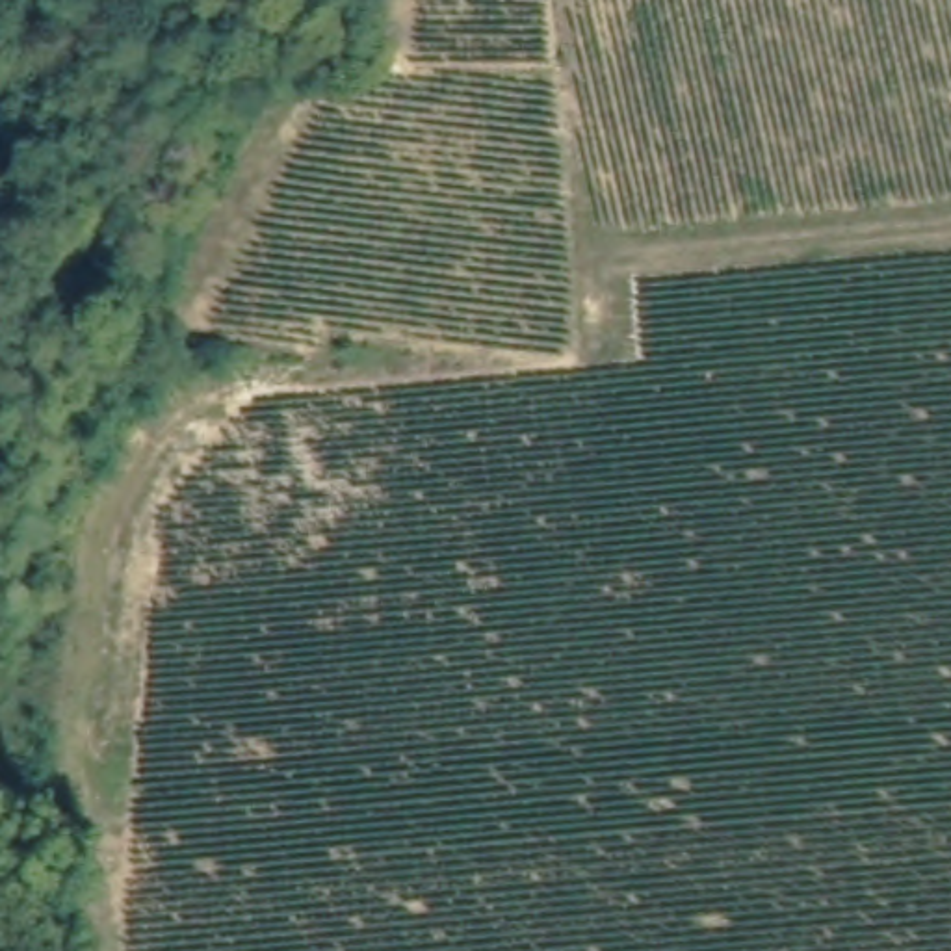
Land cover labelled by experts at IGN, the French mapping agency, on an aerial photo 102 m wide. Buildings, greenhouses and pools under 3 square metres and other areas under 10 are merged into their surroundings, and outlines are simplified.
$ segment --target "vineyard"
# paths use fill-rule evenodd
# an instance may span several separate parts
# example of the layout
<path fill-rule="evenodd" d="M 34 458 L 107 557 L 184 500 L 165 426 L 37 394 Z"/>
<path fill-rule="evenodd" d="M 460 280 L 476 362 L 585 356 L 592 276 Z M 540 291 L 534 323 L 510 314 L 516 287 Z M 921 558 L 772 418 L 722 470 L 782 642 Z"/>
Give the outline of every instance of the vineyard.
<path fill-rule="evenodd" d="M 327 386 L 327 394 L 267 394 L 245 405 L 238 416 L 223 412 L 223 420 L 215 423 L 219 442 L 208 446 L 204 461 L 167 498 L 156 520 L 163 561 L 160 587 L 149 609 L 149 698 L 141 721 L 141 769 L 134 769 L 134 788 L 141 795 L 134 799 L 134 880 L 126 892 L 126 951 L 951 951 L 951 0 L 550 0 L 561 11 L 557 63 L 568 71 L 572 93 L 580 100 L 580 189 L 572 197 L 557 197 L 561 152 L 554 137 L 554 97 L 546 78 L 479 71 L 394 74 L 349 108 L 308 104 L 308 126 L 297 137 L 282 178 L 275 182 L 271 208 L 260 215 L 260 238 L 245 249 L 245 267 L 223 286 L 204 331 L 215 334 L 215 345 L 241 345 L 267 357 L 290 353 L 312 331 L 312 316 L 327 319 L 331 349 L 345 349 L 357 342 L 401 349 L 461 360 L 490 360 L 490 349 L 561 353 L 572 271 L 594 275 L 606 264 L 632 264 L 620 249 L 632 241 L 691 241 L 706 267 L 684 275 L 646 275 L 639 282 L 643 360 L 635 364 L 583 364 L 561 371 L 476 375 L 409 386 Z"/>
<path fill-rule="evenodd" d="M 438 59 L 442 52 L 449 59 L 539 59 L 546 45 L 546 0 L 409 0 L 416 7 L 416 59 Z"/>

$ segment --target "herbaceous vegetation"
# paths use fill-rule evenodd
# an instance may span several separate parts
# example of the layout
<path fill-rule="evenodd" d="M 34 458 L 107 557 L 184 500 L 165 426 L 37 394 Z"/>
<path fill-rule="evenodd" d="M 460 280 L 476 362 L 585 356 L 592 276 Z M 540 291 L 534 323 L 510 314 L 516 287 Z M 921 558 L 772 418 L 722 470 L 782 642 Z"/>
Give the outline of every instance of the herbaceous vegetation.
<path fill-rule="evenodd" d="M 331 364 L 331 349 L 327 319 L 312 316 L 312 331 L 290 353 L 282 368 L 267 368 L 256 379 L 219 383 L 212 390 L 175 390 L 156 420 L 145 420 L 130 431 L 115 476 L 93 490 L 78 531 L 67 539 L 67 546 L 74 550 L 78 606 L 59 643 L 52 721 L 59 776 L 71 780 L 82 814 L 93 821 L 97 862 L 108 877 L 104 899 L 93 910 L 85 910 L 85 921 L 97 929 L 100 951 L 126 951 L 126 892 L 134 880 L 134 799 L 141 795 L 134 788 L 134 769 L 141 769 L 141 721 L 149 698 L 149 609 L 160 587 L 163 561 L 156 520 L 167 498 L 204 461 L 208 446 L 219 442 L 215 423 L 223 420 L 223 412 L 238 416 L 245 405 L 267 394 L 327 394 L 327 386 L 409 386 L 476 375 L 561 371 L 583 364 L 635 364 L 643 360 L 639 282 L 646 275 L 684 275 L 706 267 L 691 241 L 632 241 L 620 249 L 632 264 L 606 264 L 594 275 L 572 271 L 561 353 L 490 349 L 490 360 L 461 360 L 401 349 L 401 364 L 394 364 L 386 375 L 353 379 L 349 368 Z"/>
<path fill-rule="evenodd" d="M 572 197 L 580 189 L 580 100 L 572 93 L 568 71 L 557 63 L 561 11 L 550 0 L 546 0 L 546 45 L 539 59 L 449 59 L 442 52 L 438 59 L 416 59 L 416 7 L 409 0 L 386 0 L 394 37 L 401 41 L 401 56 L 390 59 L 394 74 L 479 71 L 546 78 L 554 97 L 554 137 L 561 152 L 557 197 Z"/>
<path fill-rule="evenodd" d="M 189 331 L 204 331 L 223 286 L 245 267 L 245 249 L 260 238 L 260 215 L 271 208 L 275 182 L 282 178 L 297 137 L 308 126 L 308 104 L 297 100 L 275 134 L 260 130 L 249 152 L 238 156 L 241 178 L 208 223 L 204 249 L 193 260 L 193 301 L 178 308 L 178 319 Z"/>

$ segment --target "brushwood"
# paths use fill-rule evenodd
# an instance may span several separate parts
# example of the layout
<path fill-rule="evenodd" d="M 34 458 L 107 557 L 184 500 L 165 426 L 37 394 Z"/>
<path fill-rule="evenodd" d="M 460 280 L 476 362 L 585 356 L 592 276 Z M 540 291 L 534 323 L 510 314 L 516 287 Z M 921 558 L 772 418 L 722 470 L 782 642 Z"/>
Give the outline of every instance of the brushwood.
<path fill-rule="evenodd" d="M 353 379 L 386 375 L 394 364 L 401 364 L 401 349 L 357 342 L 345 349 L 331 349 L 331 364 L 349 368 Z"/>
<path fill-rule="evenodd" d="M 193 357 L 219 383 L 256 379 L 267 368 L 282 368 L 290 353 L 267 357 L 241 345 L 215 345 L 193 349 Z"/>

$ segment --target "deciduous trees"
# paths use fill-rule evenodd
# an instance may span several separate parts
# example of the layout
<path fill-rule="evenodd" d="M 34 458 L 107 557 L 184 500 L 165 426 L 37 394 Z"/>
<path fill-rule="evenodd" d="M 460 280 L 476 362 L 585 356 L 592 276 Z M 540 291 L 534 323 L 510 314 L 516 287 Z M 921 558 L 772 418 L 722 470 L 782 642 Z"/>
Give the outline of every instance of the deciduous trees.
<path fill-rule="evenodd" d="M 0 951 L 100 951 L 97 929 L 85 921 L 85 910 L 93 910 L 104 899 L 108 877 L 97 862 L 93 821 L 82 814 L 71 780 L 59 776 L 52 721 L 59 643 L 78 606 L 74 550 L 67 546 L 67 539 L 78 531 L 93 490 L 115 476 L 130 431 L 145 420 L 156 420 L 175 390 L 212 390 L 219 383 L 193 357 L 193 349 L 215 345 L 215 334 L 204 331 L 189 331 L 178 319 L 178 308 L 193 301 L 193 260 L 204 249 L 208 223 L 241 178 L 238 156 L 249 152 L 260 130 L 275 134 L 297 100 L 308 104 L 349 108 L 394 74 L 390 59 L 401 56 L 401 41 L 394 37 L 386 0 L 0 0 Z"/>

